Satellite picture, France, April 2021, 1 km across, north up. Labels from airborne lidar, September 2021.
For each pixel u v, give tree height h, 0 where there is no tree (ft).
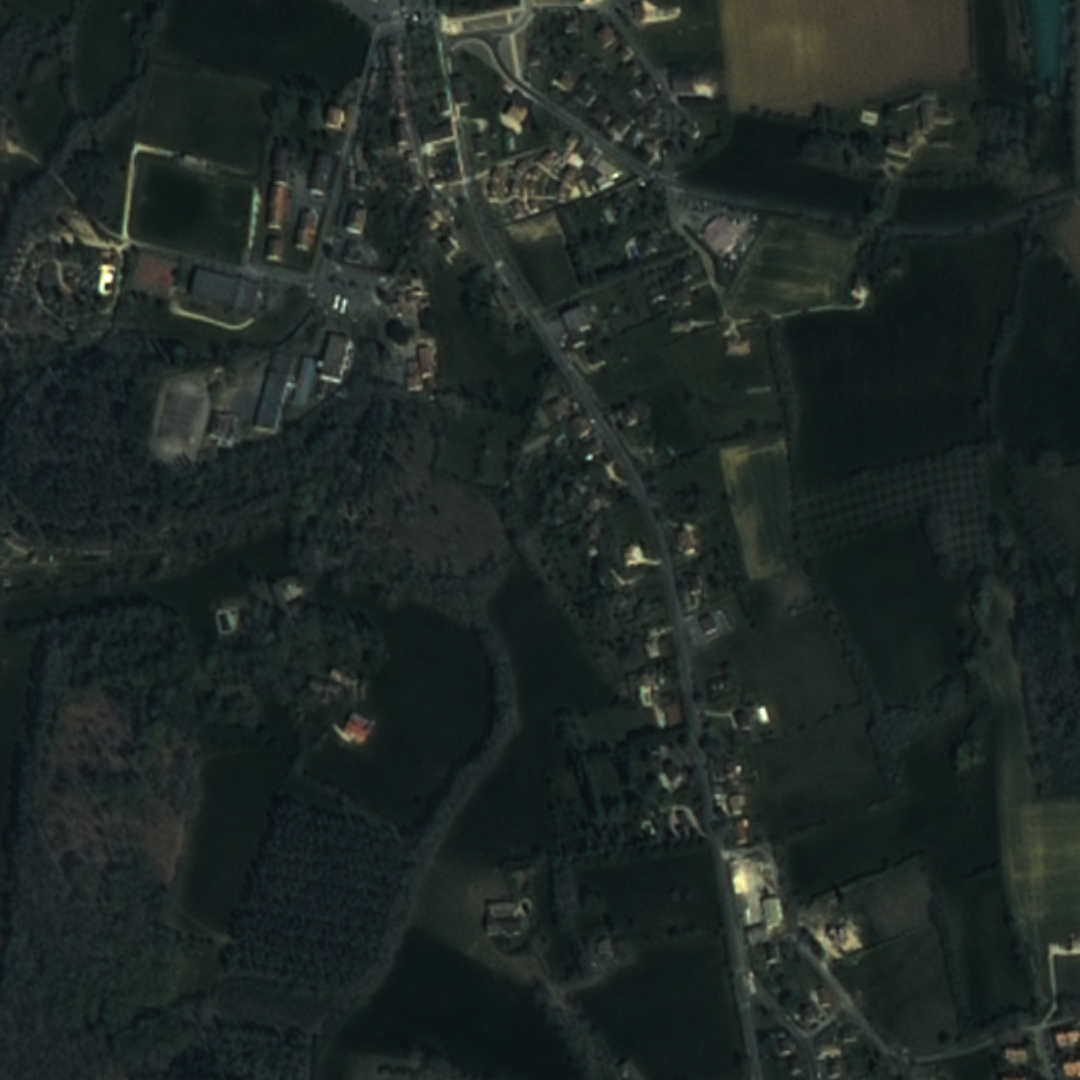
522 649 0
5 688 0
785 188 0
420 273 23
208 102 0
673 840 51
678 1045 0
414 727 0
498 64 0
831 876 0
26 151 0
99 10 0
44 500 60
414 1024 0
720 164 0
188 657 60
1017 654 37
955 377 0
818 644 0
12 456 40
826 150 61
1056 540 28
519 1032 0
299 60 0
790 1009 50
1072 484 0
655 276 22
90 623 68
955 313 0
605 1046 39
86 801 76
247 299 0
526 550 62
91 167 50
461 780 58
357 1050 0
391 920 68
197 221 0
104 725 0
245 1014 30
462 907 0
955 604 0
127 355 47
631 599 26
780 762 0
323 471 48
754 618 22
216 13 0
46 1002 79
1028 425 0
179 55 0
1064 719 50
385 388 49
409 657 0
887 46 0
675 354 0
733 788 20
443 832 51
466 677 0
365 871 55
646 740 45
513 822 0
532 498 30
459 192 0
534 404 21
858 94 0
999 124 65
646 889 0
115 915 68
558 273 0
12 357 95
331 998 50
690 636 0
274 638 51
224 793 0
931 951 0
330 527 53
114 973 74
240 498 67
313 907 52
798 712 0
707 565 34
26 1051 62
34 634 43
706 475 0
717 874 0
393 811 0
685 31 0
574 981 45
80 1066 71
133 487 74
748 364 0
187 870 0
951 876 0
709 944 0
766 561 0
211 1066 68
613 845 40
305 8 0
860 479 23
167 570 61
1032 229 43
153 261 0
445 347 0
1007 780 0
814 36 0
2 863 0
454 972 0
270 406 0
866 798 0
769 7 0
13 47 36
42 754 53
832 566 0
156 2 20
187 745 40
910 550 0
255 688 51
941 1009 0
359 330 0
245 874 0
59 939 70
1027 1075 26
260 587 60
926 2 0
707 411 0
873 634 0
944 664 0
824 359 0
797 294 0
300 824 55
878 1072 32
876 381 0
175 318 0
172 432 0
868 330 0
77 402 19
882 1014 0
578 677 0
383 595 52
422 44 47
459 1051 0
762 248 0
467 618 59
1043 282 0
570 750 49
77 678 33
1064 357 0
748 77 0
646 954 0
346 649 57
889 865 31
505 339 52
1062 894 0
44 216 83
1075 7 27
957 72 0
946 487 31
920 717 30
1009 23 0
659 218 40
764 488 0
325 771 0
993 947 0
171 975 79
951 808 0
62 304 71
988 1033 31
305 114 44
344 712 47
